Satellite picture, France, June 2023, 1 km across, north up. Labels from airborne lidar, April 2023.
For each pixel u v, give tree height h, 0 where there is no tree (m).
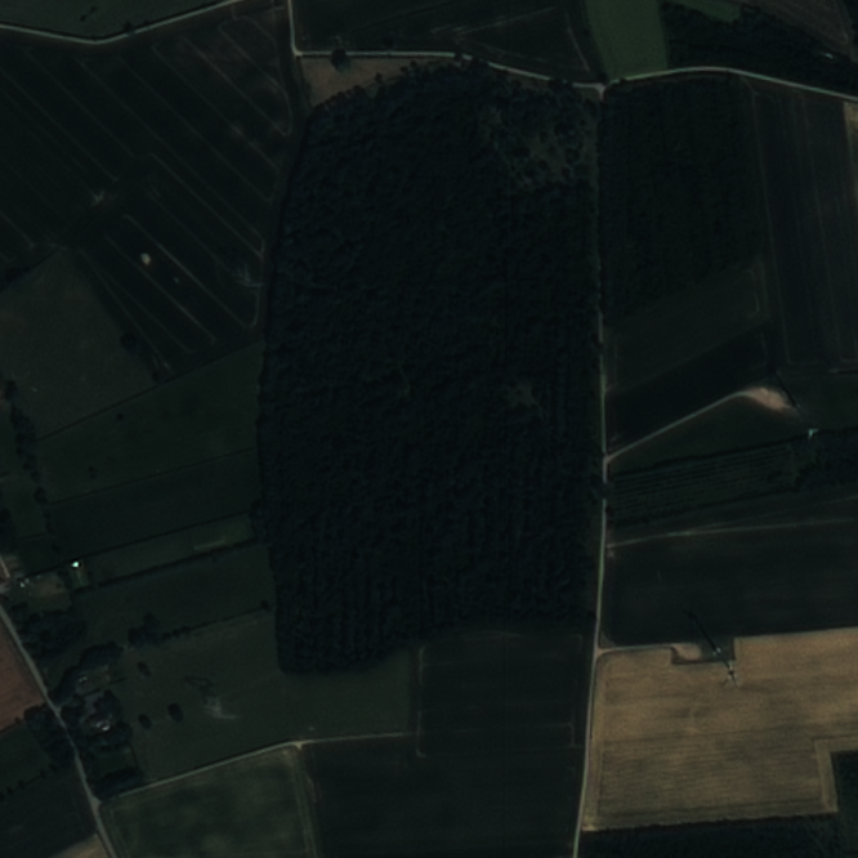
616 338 0
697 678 0
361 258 26
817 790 0
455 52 0
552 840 0
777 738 0
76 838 0
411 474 22
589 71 0
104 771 0
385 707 0
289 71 0
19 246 0
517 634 0
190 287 0
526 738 0
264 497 11
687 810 0
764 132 0
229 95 0
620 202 16
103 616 0
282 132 0
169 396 0
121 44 0
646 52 0
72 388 0
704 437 0
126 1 0
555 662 0
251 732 0
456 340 22
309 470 17
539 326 12
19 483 0
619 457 0
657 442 0
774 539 0
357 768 0
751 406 0
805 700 0
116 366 0
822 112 0
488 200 21
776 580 0
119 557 0
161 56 0
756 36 14
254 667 0
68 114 0
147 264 0
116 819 0
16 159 0
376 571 17
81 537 0
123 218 0
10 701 0
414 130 21
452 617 14
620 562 0
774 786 0
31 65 0
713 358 0
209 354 0
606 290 13
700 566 0
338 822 0
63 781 0
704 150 9
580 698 0
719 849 9
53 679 0
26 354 0
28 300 0
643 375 0
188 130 0
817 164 0
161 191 0
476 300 22
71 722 22
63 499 0
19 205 0
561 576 19
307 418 17
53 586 0
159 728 0
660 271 11
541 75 0
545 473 21
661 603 0
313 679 0
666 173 15
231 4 0
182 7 0
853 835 0
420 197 22
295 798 0
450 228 20
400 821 0
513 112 21
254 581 0
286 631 16
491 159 24
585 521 13
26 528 0
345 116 23
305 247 24
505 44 0
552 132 0
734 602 0
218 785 0
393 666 0
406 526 17
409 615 18
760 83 0
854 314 0
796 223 0
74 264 0
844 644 0
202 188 0
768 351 0
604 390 0
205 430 0
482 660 0
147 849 0
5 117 0
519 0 0
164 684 0
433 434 19
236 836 0
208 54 0
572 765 0
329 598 19
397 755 0
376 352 19
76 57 0
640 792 0
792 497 0
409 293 19
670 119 12
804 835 8
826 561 0
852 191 0
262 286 0
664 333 0
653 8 0
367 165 25
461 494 24
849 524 0
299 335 21
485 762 0
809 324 0
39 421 0
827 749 0
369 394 17
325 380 13
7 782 0
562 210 14
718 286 0
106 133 0
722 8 0
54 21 0
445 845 0
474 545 20
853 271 0
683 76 6
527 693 0
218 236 0
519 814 0
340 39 0
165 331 0
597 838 6
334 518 21
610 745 0
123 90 0
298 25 0
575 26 0
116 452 0
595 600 0
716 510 0
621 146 18
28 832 0
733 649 0
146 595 0
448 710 0
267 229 0
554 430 16
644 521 7
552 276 10
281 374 22
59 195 0
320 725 0
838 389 0
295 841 0
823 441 12
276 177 0
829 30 0
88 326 0
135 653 0
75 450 0
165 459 0
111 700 18
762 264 0
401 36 0
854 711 0
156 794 0
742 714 0
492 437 16
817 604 0
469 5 0
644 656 0
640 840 8
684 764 0
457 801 0
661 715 0
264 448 18
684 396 0
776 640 0
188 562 8
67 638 13
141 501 0
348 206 25
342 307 18
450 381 19
